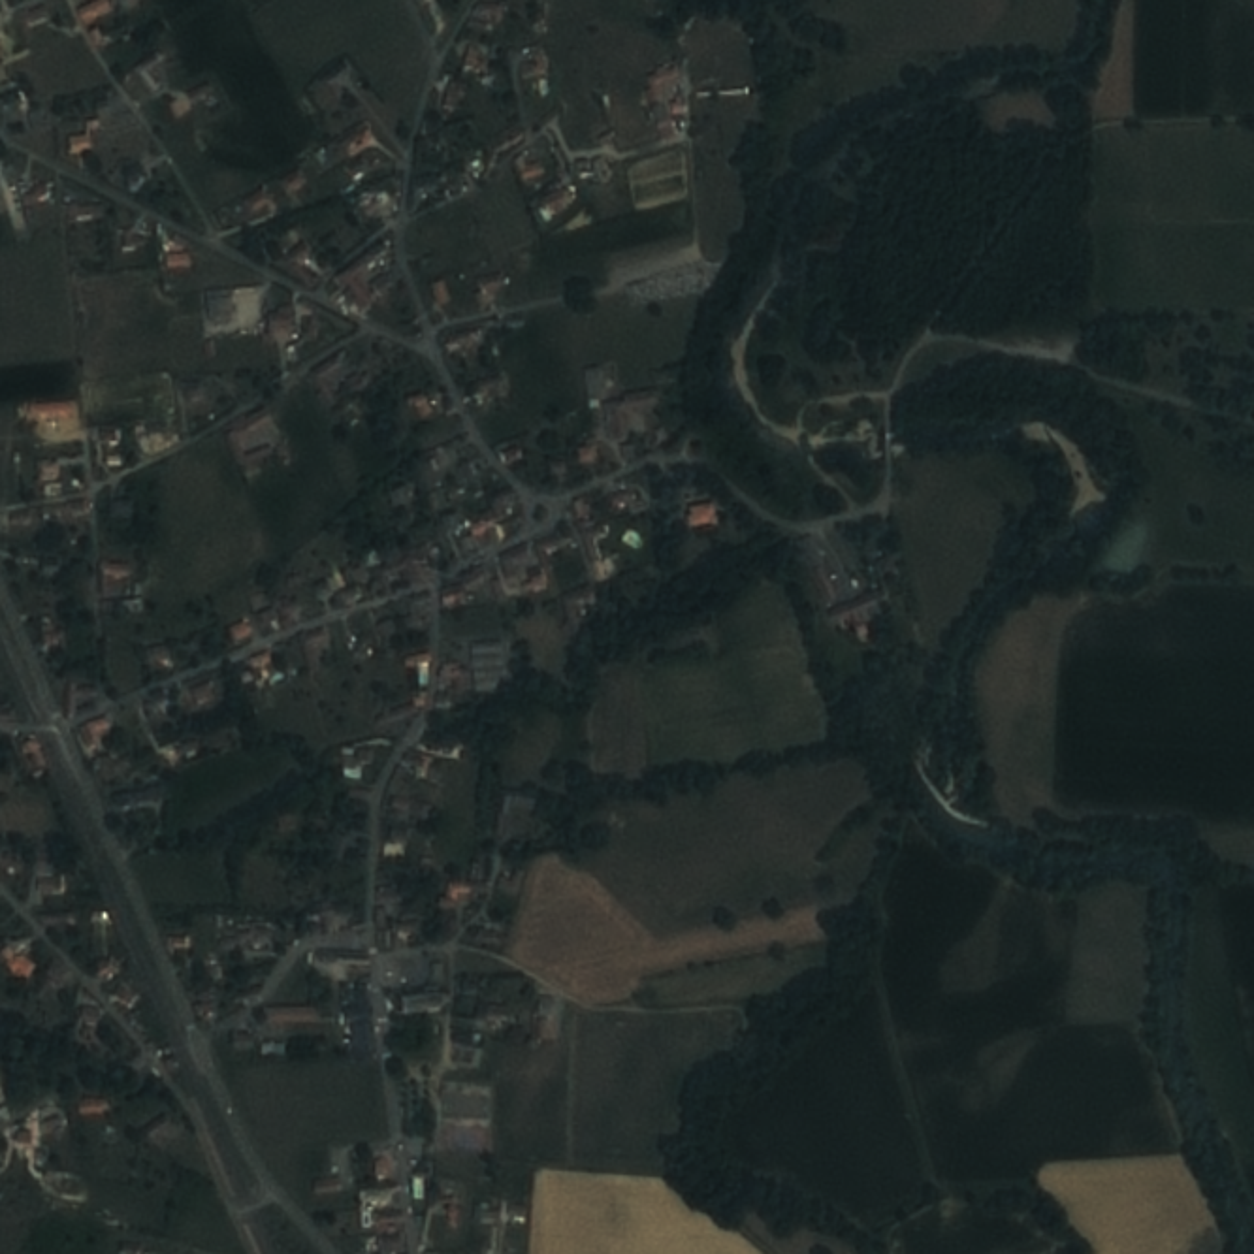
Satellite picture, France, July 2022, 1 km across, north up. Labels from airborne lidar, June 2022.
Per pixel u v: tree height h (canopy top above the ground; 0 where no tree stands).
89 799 0
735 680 0
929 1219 0
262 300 0
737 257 12
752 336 0
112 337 0
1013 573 16
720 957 0
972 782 13
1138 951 0
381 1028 0
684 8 9
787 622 0
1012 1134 0
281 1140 0
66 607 9
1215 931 0
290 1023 0
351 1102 0
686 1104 17
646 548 0
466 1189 0
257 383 8
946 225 12
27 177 0
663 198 0
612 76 0
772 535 16
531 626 0
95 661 10
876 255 15
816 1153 0
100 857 0
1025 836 16
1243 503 0
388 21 0
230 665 11
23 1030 14
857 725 28
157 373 0
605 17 0
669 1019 0
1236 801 0
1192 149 0
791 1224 17
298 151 0
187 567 0
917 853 0
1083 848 13
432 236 0
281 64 0
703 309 11
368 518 6
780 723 0
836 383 8
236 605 0
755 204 13
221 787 0
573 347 0
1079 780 0
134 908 0
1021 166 15
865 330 14
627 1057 0
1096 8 27
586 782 21
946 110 12
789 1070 0
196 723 16
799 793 0
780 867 0
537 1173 0
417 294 0
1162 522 0
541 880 0
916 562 0
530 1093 0
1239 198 0
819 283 22
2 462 0
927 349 0
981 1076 0
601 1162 0
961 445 22
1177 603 0
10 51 0
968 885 0
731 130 0
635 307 0
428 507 7
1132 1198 0
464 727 19
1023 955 0
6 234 0
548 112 0
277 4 0
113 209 7
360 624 0
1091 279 17
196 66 0
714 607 17
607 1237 0
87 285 0
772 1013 18
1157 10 0
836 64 0
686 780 21
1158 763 0
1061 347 0
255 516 0
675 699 0
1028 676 0
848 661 0
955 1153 0
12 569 15
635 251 0
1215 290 0
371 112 0
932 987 0
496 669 0
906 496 0
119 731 8
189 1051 0
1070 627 0
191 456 0
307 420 0
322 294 0
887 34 0
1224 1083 0
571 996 0
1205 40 0
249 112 0
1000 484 0
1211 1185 11
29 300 0
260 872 0
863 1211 0
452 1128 0
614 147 0
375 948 0
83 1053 17
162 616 0
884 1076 0
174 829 9
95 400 0
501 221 0
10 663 0
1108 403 14
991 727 0
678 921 0
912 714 31
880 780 17
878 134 16
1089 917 0
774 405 0
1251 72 0
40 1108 0
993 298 19
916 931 0
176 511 0
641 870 0
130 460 12
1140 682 0
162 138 6
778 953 11
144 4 0
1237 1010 0
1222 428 27
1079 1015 0
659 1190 0
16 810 0
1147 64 0
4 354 0
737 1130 0
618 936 0
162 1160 0
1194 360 19
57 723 0
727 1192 18
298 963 0
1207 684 0
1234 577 9
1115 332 19
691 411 14
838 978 23
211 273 0
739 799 0
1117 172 0
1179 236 0
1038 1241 0
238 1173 0
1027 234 19
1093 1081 0
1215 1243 0
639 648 17
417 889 16
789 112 0
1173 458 0
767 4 17
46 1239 0
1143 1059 0
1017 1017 0
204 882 0
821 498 16
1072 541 22
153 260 0
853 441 0
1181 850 20
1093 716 0
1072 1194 0
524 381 0
